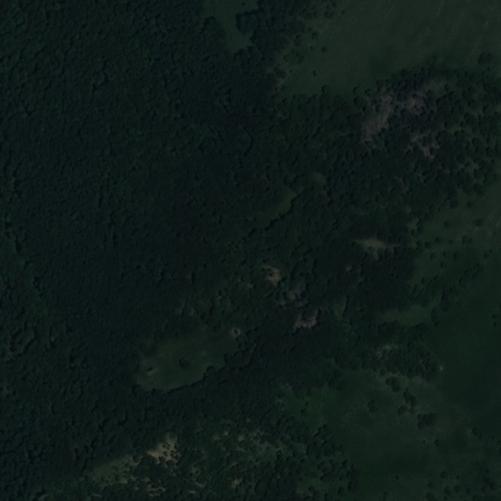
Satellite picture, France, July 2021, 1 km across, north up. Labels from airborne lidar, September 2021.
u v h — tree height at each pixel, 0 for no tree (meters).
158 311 24
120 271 21
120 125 27
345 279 19
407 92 22
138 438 23
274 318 26
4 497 32
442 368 0
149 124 30
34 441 22
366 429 0
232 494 23
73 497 18
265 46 18
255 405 20
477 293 0
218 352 0
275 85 12
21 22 30
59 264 21
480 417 0
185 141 29
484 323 0
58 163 17
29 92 31
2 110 29
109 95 32
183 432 9
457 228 0
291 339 30
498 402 0
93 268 25
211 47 23
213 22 19
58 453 22
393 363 16
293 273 19
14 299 33
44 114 30
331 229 23
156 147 29
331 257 21
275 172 30
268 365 29
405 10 0
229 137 26
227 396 22
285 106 18
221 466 18
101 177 8
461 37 0
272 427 26
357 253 26
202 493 22
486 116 6
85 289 23
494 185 13
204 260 33
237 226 35
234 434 16
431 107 24
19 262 29
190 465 17
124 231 21
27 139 31
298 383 20
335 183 20
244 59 21
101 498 19
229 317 18
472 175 20
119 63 29
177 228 25
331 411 0
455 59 0
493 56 14
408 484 0
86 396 24
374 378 0
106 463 15
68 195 19
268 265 32
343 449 26
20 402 22
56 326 31
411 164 26
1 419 23
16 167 28
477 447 0
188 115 29
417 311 0
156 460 18
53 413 21
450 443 0
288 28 11
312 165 24
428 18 0
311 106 28
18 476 34
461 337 0
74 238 19
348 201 14
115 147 28
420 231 19
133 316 28
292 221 26
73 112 24
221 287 30
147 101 27
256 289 19
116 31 27
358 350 27
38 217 25
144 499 24
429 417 14
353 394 0
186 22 18
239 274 31
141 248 20
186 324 28
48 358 30
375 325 12
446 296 17
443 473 8
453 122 21
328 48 11
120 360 27
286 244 23
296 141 20
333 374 19
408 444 0
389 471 0
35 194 24
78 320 31
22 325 22
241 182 24
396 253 13
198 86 26
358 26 0
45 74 30
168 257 20
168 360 0
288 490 28
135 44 31
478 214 0
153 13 26
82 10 33
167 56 27
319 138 30
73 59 29
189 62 21
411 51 0
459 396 0
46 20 23
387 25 0
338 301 22
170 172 33
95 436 29
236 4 0
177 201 28
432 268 0
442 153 26
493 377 0
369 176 23
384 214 17
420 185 23
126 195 16
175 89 25
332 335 30
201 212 27
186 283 25
